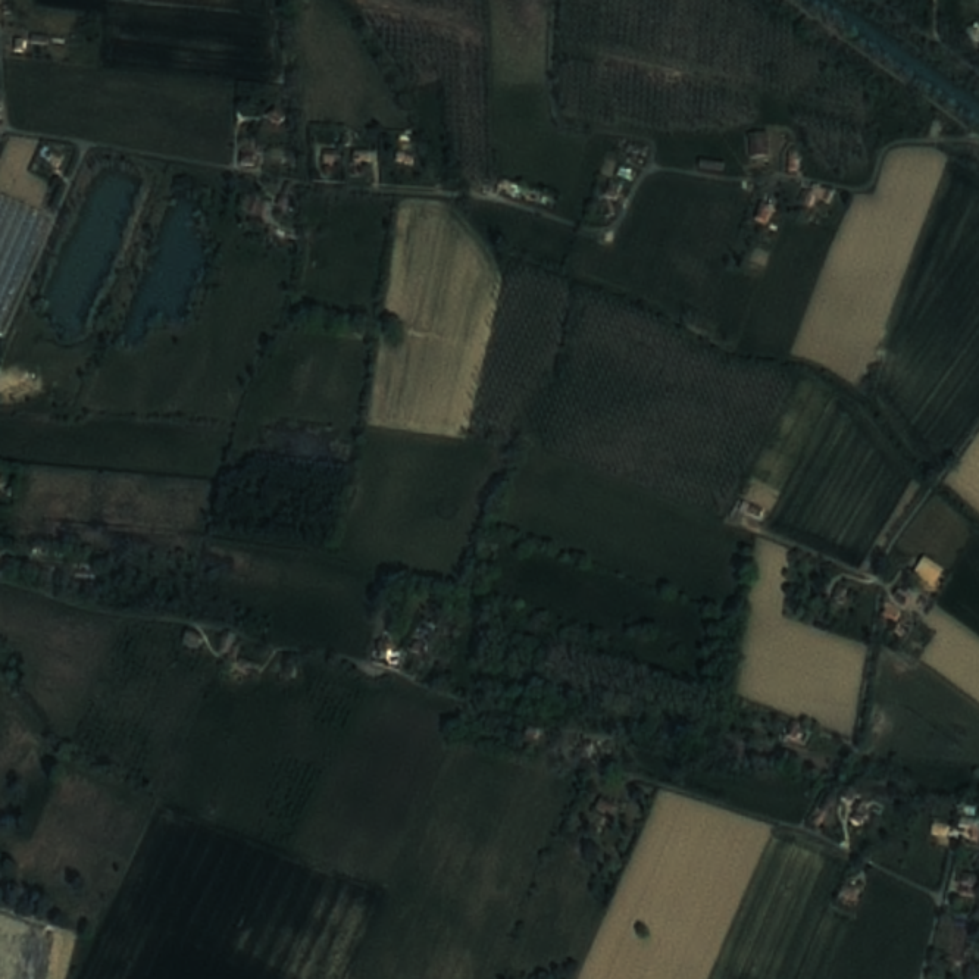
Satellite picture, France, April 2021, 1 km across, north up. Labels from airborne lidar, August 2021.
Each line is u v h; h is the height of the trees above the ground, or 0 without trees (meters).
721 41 18
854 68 12
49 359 0
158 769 0
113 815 0
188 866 0
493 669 24
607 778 18
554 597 0
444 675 10
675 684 25
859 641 0
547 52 0
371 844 0
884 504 0
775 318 0
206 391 0
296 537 19
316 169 8
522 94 0
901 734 0
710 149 0
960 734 0
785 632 0
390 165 7
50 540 9
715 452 19
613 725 7
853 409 0
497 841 0
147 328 6
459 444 0
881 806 0
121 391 0
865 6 11
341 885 0
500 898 0
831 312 0
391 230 17
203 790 0
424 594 27
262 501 18
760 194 9
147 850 0
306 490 20
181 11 0
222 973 0
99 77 0
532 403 11
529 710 19
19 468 11
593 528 0
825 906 0
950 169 0
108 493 0
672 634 0
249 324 0
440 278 0
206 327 0
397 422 0
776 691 0
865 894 0
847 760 15
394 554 0
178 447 0
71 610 0
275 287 0
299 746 0
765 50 18
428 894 0
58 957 0
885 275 0
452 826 0
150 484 0
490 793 0
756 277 0
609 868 10
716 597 0
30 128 0
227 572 0
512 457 21
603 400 18
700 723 20
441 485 0
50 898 18
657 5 18
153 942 0
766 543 0
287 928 0
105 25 0
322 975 0
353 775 0
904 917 0
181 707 0
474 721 11
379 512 0
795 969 0
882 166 0
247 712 0
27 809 0
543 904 0
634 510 0
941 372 0
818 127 17
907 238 0
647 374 17
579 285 11
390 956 0
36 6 0
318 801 0
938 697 0
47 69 0
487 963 0
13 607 0
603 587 0
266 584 0
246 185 8
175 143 0
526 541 12
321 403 0
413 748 0
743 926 0
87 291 0
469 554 10
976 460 0
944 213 0
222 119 0
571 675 32
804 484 0
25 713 0
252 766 0
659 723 23
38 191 0
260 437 0
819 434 0
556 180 0
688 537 0
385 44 23
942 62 9
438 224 0
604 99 17
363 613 0
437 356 0
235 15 0
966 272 0
